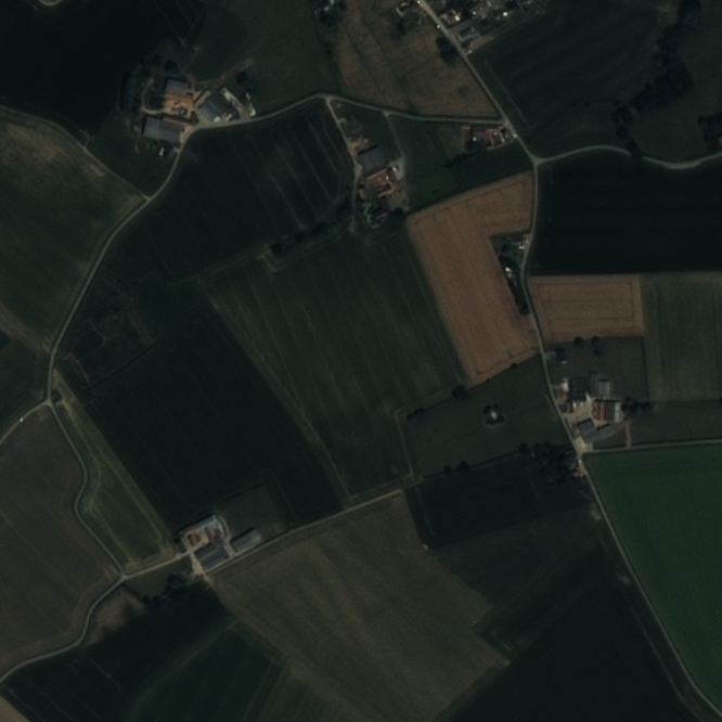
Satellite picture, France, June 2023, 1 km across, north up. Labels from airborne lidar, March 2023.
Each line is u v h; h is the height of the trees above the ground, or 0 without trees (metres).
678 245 0
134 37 0
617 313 0
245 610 0
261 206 0
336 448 0
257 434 0
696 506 0
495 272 0
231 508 0
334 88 0
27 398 0
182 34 0
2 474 0
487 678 0
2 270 0
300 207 0
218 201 0
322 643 0
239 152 0
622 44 0
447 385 0
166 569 0
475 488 0
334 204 0
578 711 0
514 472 0
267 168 0
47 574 0
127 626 0
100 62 0
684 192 0
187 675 0
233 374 0
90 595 0
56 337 0
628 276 0
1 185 0
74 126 0
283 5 0
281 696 0
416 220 0
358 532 0
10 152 0
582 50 0
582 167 0
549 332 0
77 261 0
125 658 0
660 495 0
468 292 0
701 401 0
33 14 0
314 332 0
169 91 0
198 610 0
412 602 0
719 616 0
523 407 0
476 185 0
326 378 0
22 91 0
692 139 0
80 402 0
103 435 0
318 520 0
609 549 0
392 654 0
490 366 0
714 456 0
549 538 0
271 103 0
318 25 0
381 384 0
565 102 0
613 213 0
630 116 21
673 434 0
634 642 0
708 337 0
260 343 0
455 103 0
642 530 0
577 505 0
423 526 0
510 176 0
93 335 0
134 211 0
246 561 0
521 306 8
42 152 0
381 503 0
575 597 0
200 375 0
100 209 0
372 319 0
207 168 0
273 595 0
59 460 0
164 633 0
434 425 0
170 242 0
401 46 0
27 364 0
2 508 0
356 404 0
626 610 0
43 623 0
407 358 0
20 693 0
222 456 0
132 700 0
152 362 0
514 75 0
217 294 0
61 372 0
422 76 0
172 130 0
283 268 0
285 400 0
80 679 0
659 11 0
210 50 0
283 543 0
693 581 0
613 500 0
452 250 0
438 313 0
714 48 0
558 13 0
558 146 0
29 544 0
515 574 0
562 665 0
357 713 0
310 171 0
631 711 0
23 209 0
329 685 0
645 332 0
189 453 0
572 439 0
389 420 0
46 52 0
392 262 0
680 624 0
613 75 0
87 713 0
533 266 0
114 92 0
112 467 0
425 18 0
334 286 0
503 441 0
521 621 0
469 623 0
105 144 0
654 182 0
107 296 0
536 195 0
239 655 0
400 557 0
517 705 0
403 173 0
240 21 0
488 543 0
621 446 0
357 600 0
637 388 0
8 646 0
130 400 0
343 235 0
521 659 0
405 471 0
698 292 0
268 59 0
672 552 0
